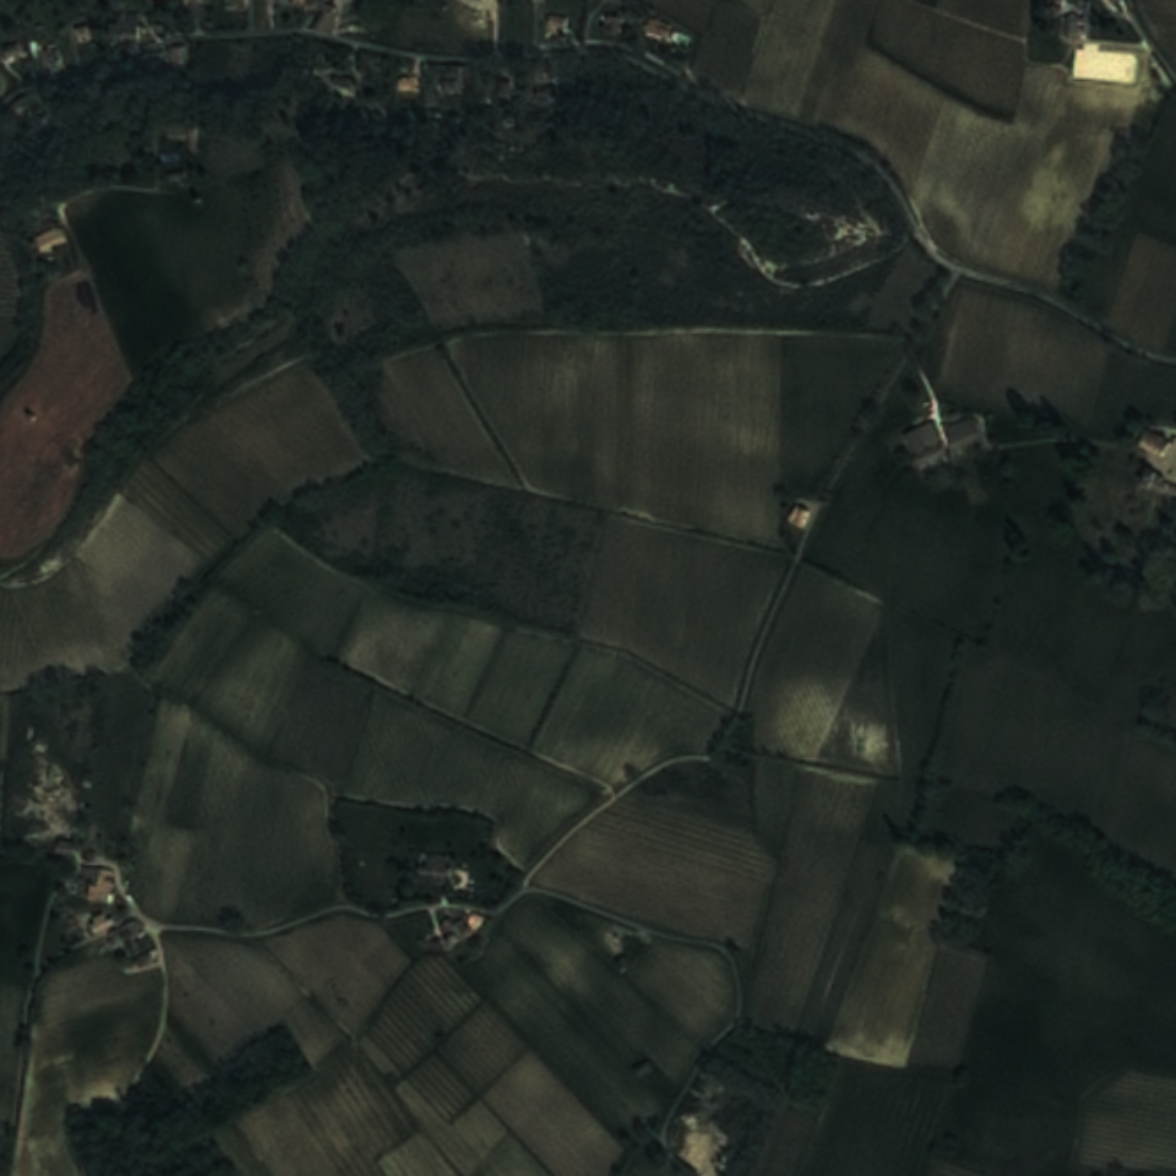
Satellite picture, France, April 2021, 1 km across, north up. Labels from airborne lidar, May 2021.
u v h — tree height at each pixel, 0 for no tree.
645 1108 0
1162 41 0
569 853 0
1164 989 0
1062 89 0
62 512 0
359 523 0
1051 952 0
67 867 10
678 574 0
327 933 0
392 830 0
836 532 0
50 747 0
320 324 17
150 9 10
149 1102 12
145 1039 0
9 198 18
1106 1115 0
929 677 0
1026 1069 0
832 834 0
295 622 0
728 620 0
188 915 0
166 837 0
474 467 0
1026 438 0
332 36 0
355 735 0
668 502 0
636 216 8
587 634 0
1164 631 0
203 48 7
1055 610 0
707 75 0
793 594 0
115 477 12
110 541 0
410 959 0
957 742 0
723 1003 0
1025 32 0
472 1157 0
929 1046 0
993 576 0
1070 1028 0
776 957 0
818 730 0
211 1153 19
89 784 0
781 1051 7
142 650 13
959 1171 0
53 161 20
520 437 0
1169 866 0
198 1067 0
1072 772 0
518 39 0
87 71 8
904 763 0
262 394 0
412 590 6
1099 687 0
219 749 0
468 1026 0
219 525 0
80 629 0
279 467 0
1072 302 7
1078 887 0
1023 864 20
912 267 0
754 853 0
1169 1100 0
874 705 0
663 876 0
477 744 0
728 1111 0
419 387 0
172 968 0
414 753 0
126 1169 15
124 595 0
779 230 8
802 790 0
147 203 0
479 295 0
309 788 0
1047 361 0
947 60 0
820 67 0
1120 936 0
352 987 0
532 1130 0
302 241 10
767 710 0
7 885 0
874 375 0
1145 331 0
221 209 0
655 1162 19
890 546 0
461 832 0
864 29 0
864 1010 0
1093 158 0
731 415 0
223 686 0
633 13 10
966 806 0
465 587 9
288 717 0
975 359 0
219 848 0
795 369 0
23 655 0
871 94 0
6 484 0
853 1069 0
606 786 0
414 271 0
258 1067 18
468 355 0
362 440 15
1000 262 0
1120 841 0
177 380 13
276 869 0
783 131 13
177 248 0
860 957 0
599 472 0
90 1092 0
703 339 0
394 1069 0
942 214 0
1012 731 0
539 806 0
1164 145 0
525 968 0
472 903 6
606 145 8
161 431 13
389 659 0
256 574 0
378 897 0
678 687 0
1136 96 0
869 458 0
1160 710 19
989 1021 0
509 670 0
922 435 0
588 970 0
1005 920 0
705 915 0
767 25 0
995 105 0
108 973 0
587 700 0
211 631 0
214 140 10
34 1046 13
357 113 7
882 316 0
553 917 0
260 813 0
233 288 0
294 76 13
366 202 8
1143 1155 0
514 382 0
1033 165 0
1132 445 16
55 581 0
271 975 0
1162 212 0
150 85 25
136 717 0
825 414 0
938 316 6
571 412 0
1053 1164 0
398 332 8
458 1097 0
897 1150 0
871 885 0
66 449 0
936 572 0
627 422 0
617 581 0
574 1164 0
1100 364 0
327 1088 0
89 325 0
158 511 0
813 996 0
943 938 15
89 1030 0
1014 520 0
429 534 0
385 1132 0
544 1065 0
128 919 6
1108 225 17
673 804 0
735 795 0
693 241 8
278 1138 0
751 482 0
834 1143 0
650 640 0
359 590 0
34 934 0
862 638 0
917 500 0
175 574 0
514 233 6
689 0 0
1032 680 0
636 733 0
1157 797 0
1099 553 0
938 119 0
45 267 8
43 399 0
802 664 0
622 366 0
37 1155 0
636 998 0
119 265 0
